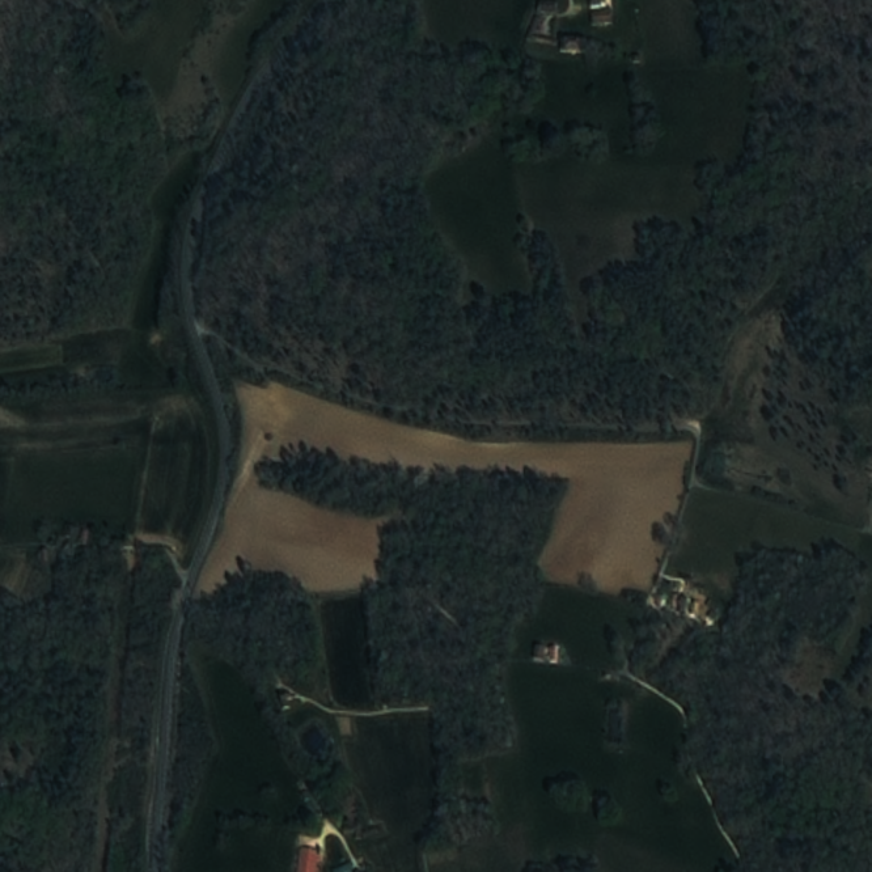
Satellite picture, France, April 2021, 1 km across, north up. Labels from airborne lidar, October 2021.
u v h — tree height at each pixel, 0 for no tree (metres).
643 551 0
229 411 13
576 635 0
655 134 15
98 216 27
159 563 17
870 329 28
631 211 0
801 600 17
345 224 17
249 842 0
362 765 0
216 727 0
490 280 0
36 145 20
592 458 0
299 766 19
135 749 7
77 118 20
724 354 14
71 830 13
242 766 0
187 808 16
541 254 28
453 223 0
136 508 0
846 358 28
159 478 0
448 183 0
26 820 16
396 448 0
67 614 19
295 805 0
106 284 15
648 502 0
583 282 0
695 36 0
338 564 0
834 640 21
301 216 18
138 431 0
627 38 0
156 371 0
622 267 0
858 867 28
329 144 19
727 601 0
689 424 0
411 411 11
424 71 19
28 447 0
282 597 17
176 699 11
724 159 0
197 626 23
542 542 15
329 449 0
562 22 0
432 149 17
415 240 29
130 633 17
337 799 19
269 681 23
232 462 13
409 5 16
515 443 0
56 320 8
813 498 0
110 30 0
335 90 16
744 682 16
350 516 15
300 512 0
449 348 18
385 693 17
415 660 20
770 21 20
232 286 15
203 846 0
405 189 21
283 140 17
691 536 0
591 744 0
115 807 14
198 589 0
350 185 14
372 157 18
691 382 27
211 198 18
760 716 17
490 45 0
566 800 21
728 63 20
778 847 15
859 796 30
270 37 14
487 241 0
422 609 12
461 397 15
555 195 0
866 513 0
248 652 24
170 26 0
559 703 0
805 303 28
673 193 0
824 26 9
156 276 0
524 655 0
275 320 24
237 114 0
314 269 19
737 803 22
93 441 0
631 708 0
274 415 0
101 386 8
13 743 17
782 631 13
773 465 0
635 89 18
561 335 26
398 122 21
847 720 26
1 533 0
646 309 34
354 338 17
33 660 24
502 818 0
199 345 0
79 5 25
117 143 22
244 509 0
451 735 19
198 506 0
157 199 0
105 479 0
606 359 24
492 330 6
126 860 8
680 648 12
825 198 18
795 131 35
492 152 0
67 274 11
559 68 0
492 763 0
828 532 0
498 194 0
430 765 0
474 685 20
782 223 26
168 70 0
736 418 0
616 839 0
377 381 10
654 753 0
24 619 22
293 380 10
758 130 16
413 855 0
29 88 20
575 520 0
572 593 0
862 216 20
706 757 17
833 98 17
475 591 21
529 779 0
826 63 16
